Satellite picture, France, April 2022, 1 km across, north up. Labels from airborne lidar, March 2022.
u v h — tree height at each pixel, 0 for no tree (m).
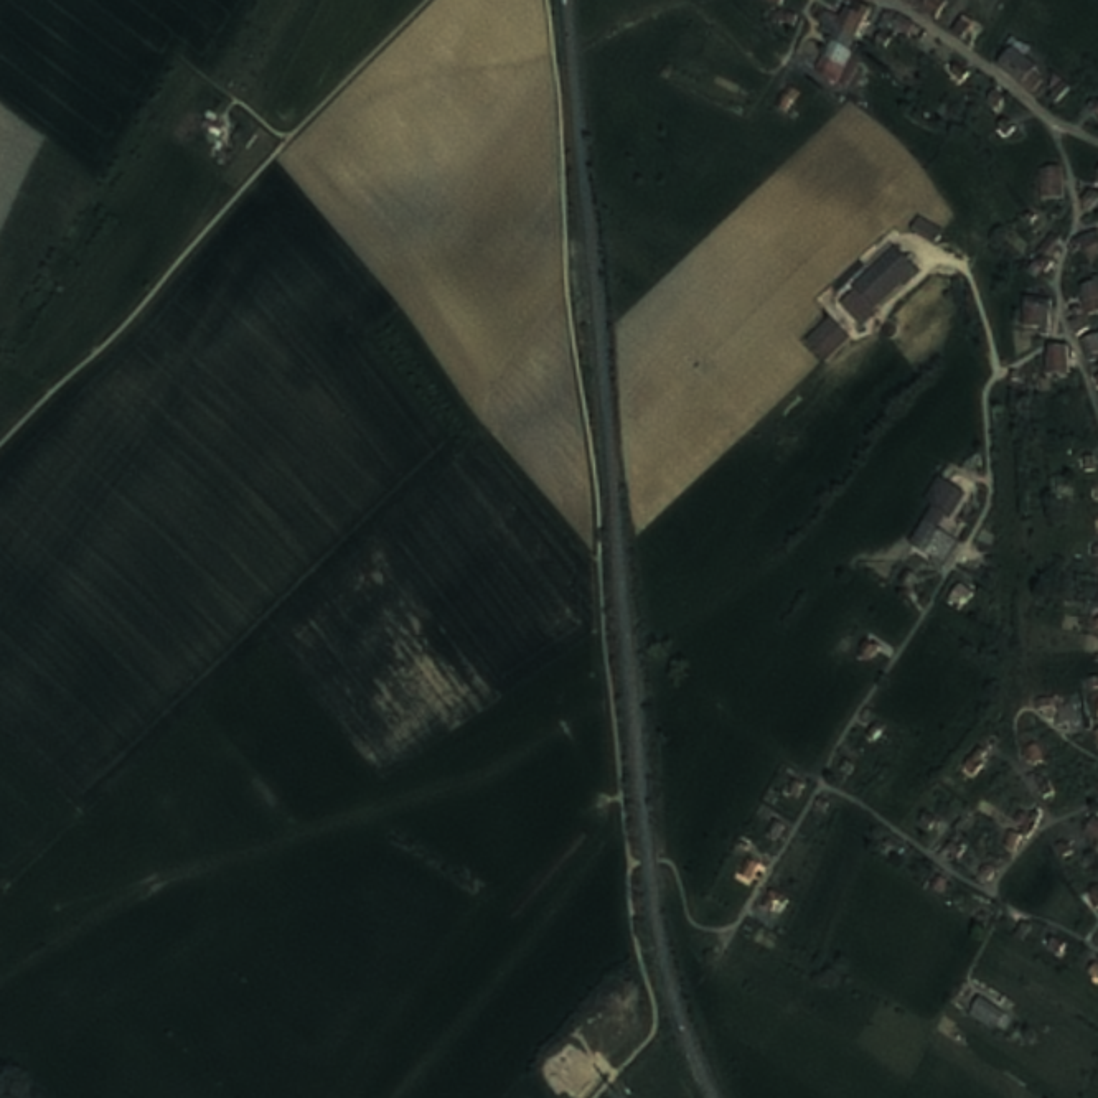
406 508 0
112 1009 0
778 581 0
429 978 0
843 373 0
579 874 0
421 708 0
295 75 0
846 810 0
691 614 0
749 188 0
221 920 0
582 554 0
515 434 0
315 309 0
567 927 0
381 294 0
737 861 0
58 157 0
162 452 0
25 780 0
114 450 0
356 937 0
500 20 0
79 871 0
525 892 0
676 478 0
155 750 0
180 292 0
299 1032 0
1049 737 6
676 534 0
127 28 0
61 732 0
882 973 0
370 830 0
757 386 0
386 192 0
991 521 0
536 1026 0
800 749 0
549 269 0
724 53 0
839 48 0
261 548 0
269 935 0
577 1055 0
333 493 0
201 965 0
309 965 0
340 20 0
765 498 0
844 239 0
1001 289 17
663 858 0
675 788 0
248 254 0
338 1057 0
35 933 0
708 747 0
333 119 0
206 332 0
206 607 0
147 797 0
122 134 0
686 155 0
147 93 0
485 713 0
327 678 0
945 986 0
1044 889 0
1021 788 0
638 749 0
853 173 0
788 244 0
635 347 0
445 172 0
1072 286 0
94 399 0
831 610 0
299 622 0
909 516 0
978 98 8
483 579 0
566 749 0
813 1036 0
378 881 0
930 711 0
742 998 0
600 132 0
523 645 0
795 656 0
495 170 0
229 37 0
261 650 0
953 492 0
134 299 0
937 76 0
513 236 0
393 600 0
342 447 0
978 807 0
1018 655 15
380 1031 0
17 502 0
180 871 0
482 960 0
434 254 0
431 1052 0
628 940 0
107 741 0
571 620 0
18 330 0
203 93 0
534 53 0
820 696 0
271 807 0
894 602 0
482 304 0
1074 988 0
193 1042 0
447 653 0
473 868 0
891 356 0
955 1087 0
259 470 0
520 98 0
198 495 0
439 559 0
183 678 0
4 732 0
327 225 0
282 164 0
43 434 0
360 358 0
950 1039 0
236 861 0
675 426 0
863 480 0
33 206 0
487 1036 0
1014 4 0
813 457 0
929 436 0
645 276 0
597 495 0
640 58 0
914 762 0
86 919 0
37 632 0
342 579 0
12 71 0
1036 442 9
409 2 0
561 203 0
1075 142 0
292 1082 0
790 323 0
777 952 0
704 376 0
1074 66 0
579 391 0
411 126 0
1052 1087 0
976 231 0
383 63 0
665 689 0
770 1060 0
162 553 0
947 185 0
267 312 0
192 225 0
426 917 0
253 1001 0
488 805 0
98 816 0
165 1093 0
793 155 0
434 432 0
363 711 0
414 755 0
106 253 0
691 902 0
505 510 0
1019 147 0
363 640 0
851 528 0
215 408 0
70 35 0
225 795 0
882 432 10
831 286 0
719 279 0
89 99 0
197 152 0
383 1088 0
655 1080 0
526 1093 0
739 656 0
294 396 0
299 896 0
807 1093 0
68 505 0
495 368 0
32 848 0
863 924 0
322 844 0
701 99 0
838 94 0
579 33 0
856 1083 0
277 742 0
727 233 0
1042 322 0
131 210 0
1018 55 0
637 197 0
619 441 0
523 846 0
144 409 0
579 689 0
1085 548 0
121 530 0
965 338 0
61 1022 0
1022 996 0
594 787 0
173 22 0
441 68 0
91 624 0
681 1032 0
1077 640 0
